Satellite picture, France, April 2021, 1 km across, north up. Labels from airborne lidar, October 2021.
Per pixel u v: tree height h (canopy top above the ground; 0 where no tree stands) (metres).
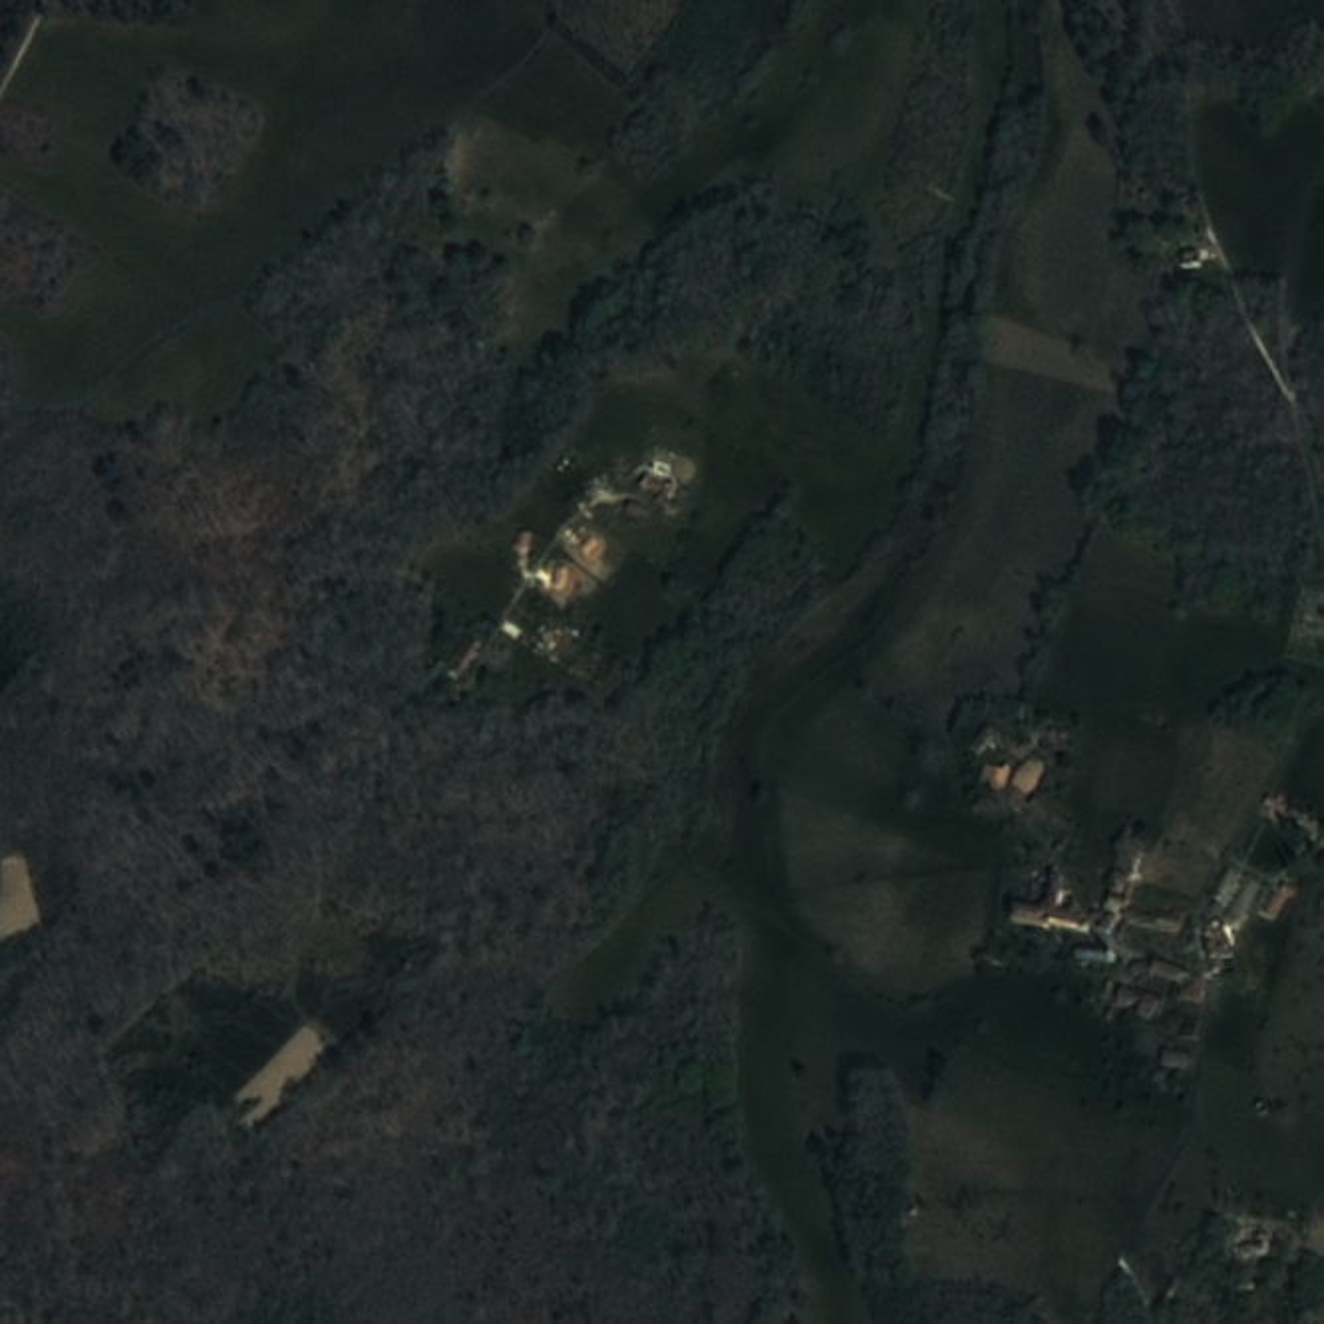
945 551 0
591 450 0
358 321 13
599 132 0
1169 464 16
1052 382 0
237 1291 13
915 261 12
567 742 18
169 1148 10
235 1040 0
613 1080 7
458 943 14
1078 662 0
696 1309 7
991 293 13
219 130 15
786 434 0
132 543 7
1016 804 0
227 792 13
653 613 0
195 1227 11
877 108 0
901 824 0
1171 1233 0
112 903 17
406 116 0
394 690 13
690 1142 8
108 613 9
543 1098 13
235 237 0
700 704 18
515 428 6
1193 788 0
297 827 16
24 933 6
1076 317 0
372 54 0
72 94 0
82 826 16
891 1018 0
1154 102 18
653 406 0
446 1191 21
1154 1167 0
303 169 0
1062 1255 0
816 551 17
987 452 0
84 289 0
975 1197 0
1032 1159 0
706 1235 9
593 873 15
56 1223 18
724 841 0
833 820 0
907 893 0
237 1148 11
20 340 0
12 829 13
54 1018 21
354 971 0
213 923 19
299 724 19
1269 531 21
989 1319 18
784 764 0
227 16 0
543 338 0
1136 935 8
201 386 0
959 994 0
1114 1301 12
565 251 0
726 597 15
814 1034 0
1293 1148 0
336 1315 15
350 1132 7
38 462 7
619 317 20
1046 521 0
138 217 0
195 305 0
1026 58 0
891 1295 7
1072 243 0
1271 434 8
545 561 0
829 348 10
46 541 10
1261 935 0
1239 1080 0
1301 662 0
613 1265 14
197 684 24
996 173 17
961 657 0
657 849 16
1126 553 0
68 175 0
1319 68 15
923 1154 0
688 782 11
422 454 13
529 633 0
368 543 17
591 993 0
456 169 0
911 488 18
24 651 10
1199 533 16
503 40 0
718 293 21
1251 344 15
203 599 17
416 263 20
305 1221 15
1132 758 0
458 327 20
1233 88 23
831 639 0
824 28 0
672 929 0
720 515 0
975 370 11
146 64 0
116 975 19
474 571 0
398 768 15
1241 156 0
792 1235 0
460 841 13
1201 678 0
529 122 0
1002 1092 0
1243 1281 14
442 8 0
